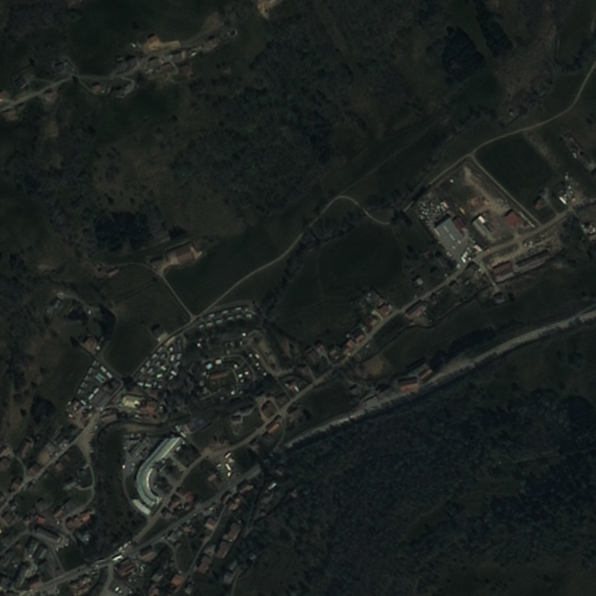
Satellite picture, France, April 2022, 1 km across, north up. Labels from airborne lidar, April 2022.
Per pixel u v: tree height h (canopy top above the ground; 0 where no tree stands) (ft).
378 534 49
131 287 0
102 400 0
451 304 0
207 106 47
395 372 0
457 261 0
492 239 0
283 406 0
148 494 0
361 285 0
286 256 0
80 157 51
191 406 50
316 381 0
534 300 0
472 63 119
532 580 0
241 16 49
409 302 0
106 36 0
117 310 0
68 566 0
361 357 0
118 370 0
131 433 0
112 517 0
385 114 0
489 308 0
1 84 0
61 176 72
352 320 0
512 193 0
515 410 48
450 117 24
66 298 0
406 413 31
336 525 23
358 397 41
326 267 0
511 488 0
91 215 63
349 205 0
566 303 0
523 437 32
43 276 0
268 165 83
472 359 0
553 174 0
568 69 62
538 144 0
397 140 0
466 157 0
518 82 0
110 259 0
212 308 0
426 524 0
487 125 0
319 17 56
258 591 0
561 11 70
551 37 0
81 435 0
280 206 63
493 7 0
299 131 86
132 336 0
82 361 0
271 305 66
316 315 0
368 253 0
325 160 76
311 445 46
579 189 0
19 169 61
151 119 0
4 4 0
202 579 0
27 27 64
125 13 0
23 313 49
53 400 0
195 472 0
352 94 0
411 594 44
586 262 0
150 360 28
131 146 0
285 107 52
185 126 0
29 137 0
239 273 0
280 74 82
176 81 0
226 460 0
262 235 0
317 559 47
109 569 0
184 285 0
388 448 23
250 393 52
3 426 0
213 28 0
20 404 41
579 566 0
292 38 89
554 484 20
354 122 43
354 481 62
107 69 0
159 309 0
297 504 40
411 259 33
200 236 0
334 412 0
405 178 0
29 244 0
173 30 0
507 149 0
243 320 0
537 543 24
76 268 0
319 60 76
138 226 105
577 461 20
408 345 0
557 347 0
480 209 0
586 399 0
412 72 0
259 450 0
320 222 0
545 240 0
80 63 0
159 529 0
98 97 0
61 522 0
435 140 0
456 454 52
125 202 0
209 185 47
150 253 0
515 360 0
